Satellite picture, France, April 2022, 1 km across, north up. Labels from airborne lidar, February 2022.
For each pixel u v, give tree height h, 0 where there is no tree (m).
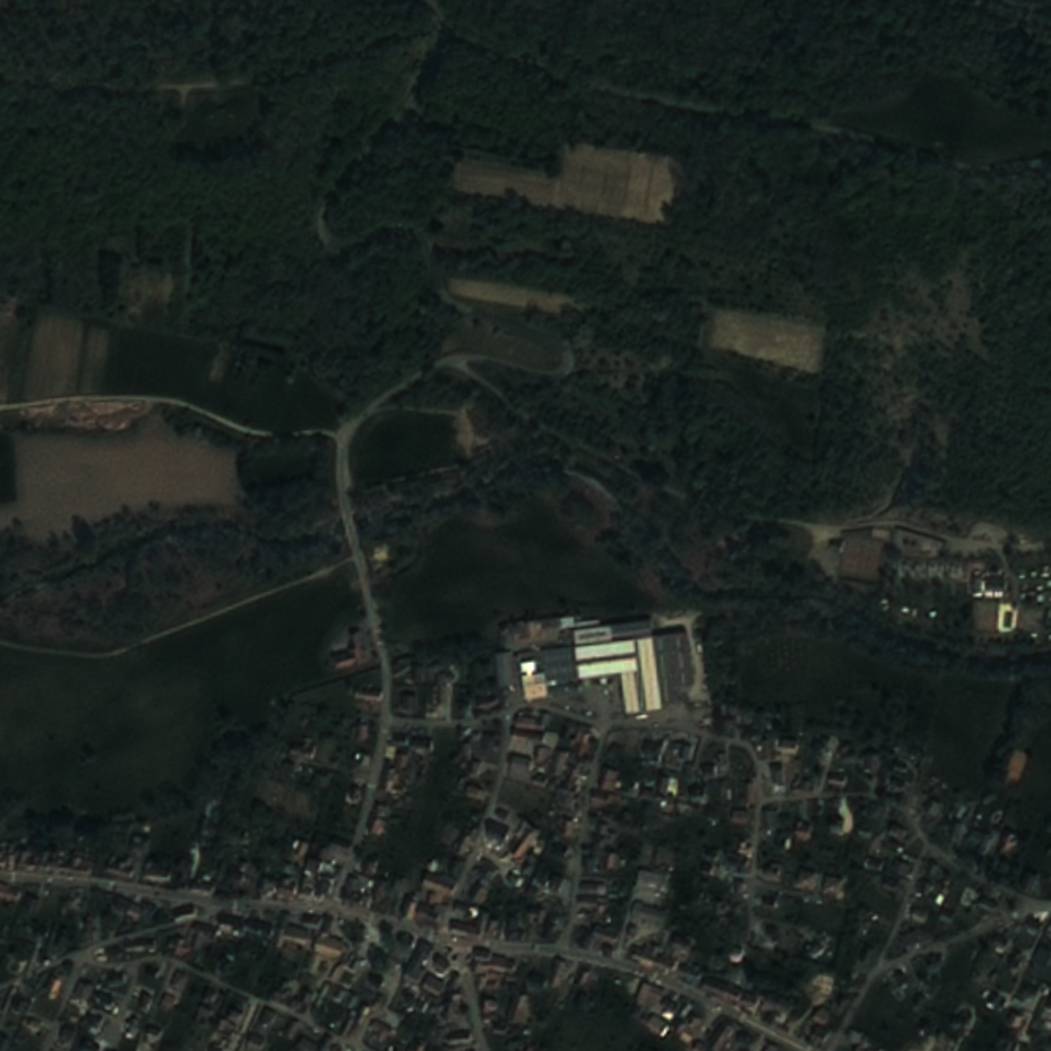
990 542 0
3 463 0
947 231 7
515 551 0
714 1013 0
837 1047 0
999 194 7
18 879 0
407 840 0
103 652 0
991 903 0
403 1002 0
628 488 25
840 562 0
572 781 0
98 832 18
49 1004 0
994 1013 0
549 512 0
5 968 0
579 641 0
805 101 28
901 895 0
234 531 10
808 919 0
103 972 0
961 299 0
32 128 25
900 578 0
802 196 27
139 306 0
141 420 0
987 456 15
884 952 0
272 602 0
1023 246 8
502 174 0
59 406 0
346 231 19
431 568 0
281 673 0
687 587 13
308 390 0
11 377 0
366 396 19
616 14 34
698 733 0
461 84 29
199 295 12
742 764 0
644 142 14
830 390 8
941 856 0
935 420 16
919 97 0
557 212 11
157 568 15
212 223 20
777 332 0
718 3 31
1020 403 7
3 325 0
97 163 30
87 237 18
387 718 0
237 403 0
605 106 16
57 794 0
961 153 0
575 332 10
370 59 26
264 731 10
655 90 20
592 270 6
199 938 0
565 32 28
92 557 9
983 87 16
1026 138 0
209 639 0
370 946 0
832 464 18
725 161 35
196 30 29
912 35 10
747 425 8
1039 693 20
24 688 0
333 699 0
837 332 6
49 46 27
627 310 14
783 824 6
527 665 0
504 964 0
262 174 23
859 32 29
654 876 0
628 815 8
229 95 0
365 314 30
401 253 28
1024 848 12
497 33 30
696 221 17
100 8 29
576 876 0
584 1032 0
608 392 7
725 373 0
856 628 20
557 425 13
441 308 17
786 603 6
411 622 0
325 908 0
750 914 0
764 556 25
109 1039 0
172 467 0
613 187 0
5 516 0
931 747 0
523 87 26
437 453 0
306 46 27
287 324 14
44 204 28
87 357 0
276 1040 0
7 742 0
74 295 21
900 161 17
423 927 0
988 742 0
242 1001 0
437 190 21
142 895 0
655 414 15
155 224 16
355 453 0
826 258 22
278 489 20
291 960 0
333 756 8
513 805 0
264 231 15
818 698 0
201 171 26
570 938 0
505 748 0
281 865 0
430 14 26
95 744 0
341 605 0
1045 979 0
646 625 0
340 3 26
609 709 0
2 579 31
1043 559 13
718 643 7
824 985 0
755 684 0
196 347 0
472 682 6
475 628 0
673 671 0
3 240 19
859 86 25
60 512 0
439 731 0
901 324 0
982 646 10
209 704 0
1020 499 6
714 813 10
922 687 0
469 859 0
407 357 19
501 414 12
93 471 0
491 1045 0
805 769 0
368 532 17
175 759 0
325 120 29
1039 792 0
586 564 0
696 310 9
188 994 0
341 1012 0
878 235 8
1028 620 0
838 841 0
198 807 15
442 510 14
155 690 0
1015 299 10
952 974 0
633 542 13
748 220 24
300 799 0
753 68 22
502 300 0
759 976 24
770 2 28
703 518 19
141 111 27
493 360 0
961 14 22
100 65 28
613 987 0
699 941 0
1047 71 34
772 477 13
